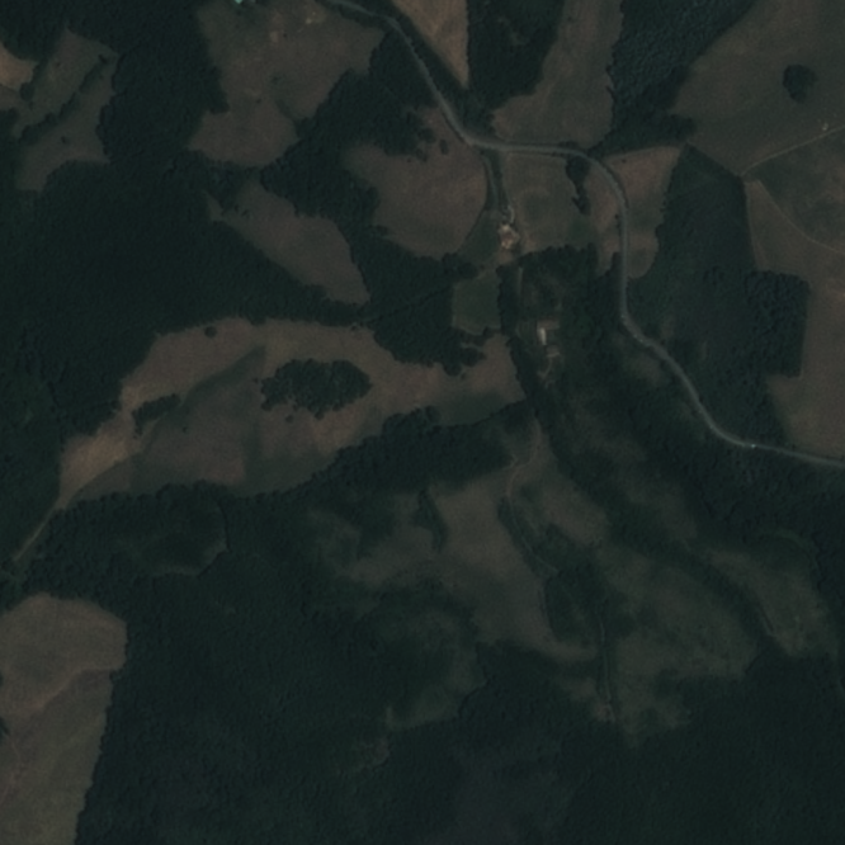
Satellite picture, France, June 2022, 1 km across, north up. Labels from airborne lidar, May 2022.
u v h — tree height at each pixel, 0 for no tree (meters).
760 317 15
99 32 20
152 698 14
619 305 10
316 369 8
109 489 0
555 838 9
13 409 13
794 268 0
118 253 17
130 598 17
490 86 13
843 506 14
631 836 9
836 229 0
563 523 0
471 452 12
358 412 0
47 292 18
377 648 20
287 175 23
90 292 14
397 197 0
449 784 10
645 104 19
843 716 20
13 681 0
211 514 6
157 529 13
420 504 6
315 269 0
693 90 0
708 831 11
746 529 29
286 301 7
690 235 10
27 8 10
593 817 12
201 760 7
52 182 9
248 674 9
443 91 8
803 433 0
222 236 17
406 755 11
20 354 17
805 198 0
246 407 0
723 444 12
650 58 10
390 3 12
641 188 0
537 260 15
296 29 0
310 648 10
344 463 20
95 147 0
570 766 12
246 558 6
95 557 17
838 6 0
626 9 15
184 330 8
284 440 0
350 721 5
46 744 0
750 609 9
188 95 16
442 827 9
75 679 0
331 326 10
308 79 0
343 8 12
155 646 10
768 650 13
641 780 11
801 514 22
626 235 0
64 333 15
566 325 0
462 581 0
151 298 13
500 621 0
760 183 0
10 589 17
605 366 6
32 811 0
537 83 13
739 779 13
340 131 13
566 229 0
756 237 0
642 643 0
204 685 13
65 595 18
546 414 16
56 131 0
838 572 21
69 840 0
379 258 12
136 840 12
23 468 14
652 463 6
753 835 10
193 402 0
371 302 6
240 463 0
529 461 0
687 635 0
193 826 6
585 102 0
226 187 14
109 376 10
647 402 10
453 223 0
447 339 10
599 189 0
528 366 18
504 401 0
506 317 15
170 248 16
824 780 21
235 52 0
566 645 0
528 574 0
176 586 13
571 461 6
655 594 0
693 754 10
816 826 17
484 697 14
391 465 18
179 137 14
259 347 0
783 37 0
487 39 12
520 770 9
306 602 11
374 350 0
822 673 19
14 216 9
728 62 0
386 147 8
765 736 15
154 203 20
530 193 0
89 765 0
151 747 12
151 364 0
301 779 7
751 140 0
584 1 0
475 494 0
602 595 13
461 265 13
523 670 10
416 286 12
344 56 0
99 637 0
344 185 17
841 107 0
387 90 11
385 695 13
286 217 0
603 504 9
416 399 0
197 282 10
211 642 11
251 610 11
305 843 6
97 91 0
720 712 11
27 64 0
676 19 7
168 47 20
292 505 13
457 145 0
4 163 19
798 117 0
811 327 0
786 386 0
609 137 10
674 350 9
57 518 15
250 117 0
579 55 0
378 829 10
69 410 13
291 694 9
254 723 11
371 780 7
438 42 0
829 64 0
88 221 12
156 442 0
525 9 9
